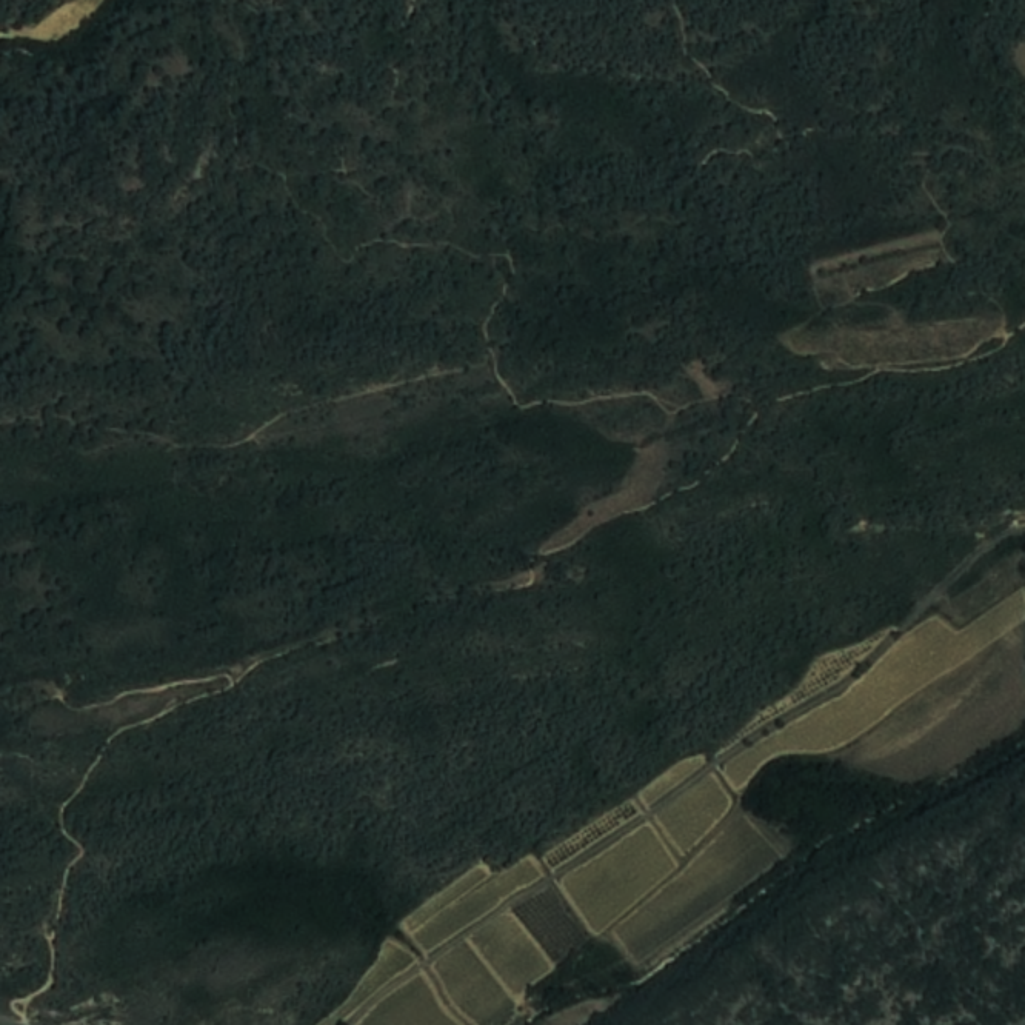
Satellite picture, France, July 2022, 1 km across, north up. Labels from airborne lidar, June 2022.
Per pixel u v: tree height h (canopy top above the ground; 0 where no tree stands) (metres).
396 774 6
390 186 9
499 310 7
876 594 9
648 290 8
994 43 13
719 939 6
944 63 7
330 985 10
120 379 11
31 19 21
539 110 13
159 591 10
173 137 8
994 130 6
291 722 9
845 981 6
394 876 8
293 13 6
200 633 9
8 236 16
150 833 9
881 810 11
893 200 7
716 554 16
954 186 10
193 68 9
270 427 0
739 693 15
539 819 12
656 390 7
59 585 9
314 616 10
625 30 10
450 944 0
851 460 6
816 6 9
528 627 13
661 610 7
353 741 12
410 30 11
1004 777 6
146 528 7
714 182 14
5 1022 0
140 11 17
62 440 9
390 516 6
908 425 12
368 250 8
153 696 0
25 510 13
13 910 9
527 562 9
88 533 10
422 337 8
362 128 0
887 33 9
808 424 10
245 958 0
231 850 15
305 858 13
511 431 8
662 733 13
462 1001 0
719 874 0
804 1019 0
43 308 14
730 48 14
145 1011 0
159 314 0
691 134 7
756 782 6
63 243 13
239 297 8
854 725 0
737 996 0
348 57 11
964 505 7
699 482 9
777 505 13
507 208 12
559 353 8
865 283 0
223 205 6
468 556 12
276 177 10
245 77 19
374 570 13
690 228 14
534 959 0
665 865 0
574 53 8
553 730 14
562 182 11
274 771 11
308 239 6
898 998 0
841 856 7
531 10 14
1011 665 0
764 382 11
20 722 9
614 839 0
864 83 13
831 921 0
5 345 17
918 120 13
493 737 14
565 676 11
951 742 0
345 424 0
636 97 15
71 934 10
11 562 9
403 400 8
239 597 6
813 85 11
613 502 0
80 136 9
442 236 6
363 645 8
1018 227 9
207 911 8
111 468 7
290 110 11
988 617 0
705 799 0
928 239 0
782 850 0
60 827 11
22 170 11
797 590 7
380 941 9
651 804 0
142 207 10
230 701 11
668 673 9
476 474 8
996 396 6
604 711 14
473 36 15
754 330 6
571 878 0
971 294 11
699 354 7
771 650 13
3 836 10
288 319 6
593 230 7
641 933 0
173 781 8
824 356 0
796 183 11
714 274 14
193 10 8
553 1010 12
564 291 13
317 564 9
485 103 10
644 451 0
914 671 0
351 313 8
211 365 9
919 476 8
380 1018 0
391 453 6
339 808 12
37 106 17
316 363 10
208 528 9
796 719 0
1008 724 0
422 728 10
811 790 7
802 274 11
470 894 0
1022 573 14
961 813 7
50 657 7
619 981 11
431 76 10
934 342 0
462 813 13
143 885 16
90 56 9
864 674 16
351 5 8
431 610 11
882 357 0
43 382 10
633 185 19
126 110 17
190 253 10
